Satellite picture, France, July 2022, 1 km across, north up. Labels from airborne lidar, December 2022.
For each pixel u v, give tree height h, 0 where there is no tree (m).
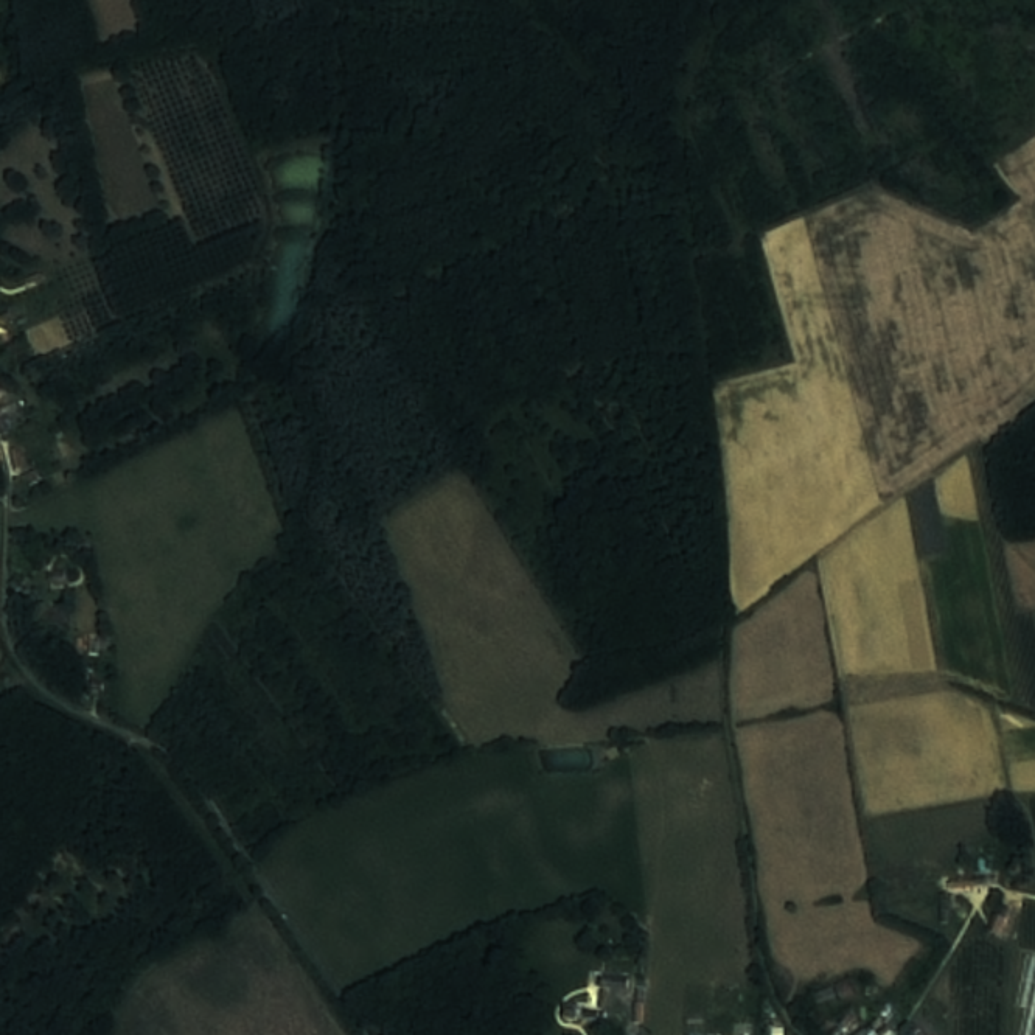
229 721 8
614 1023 6
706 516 17
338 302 22
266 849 17
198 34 17
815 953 0
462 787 0
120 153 0
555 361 21
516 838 0
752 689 0
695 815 0
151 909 25
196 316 13
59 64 18
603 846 0
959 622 0
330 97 27
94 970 20
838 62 0
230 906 10
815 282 0
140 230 18
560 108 15
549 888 0
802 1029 7
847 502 0
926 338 0
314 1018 0
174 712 13
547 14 8
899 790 0
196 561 0
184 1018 0
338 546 20
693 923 0
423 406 22
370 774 13
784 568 0
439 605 0
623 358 14
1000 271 0
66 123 17
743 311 7
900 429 0
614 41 20
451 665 0
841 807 0
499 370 19
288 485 17
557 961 0
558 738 0
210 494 0
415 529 0
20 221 13
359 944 0
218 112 9
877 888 14
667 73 23
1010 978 0
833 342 0
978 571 0
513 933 20
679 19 20
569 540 19
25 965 23
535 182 12
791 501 0
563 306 11
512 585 0
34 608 18
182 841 10
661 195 23
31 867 22
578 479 12
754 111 0
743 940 0
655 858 0
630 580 18
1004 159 0
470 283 21
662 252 23
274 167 6
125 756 21
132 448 13
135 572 0
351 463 23
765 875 0
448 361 19
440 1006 25
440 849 0
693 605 18
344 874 0
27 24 16
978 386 0
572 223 10
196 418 12
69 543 12
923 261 0
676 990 0
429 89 24
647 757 0
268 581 12
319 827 0
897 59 7
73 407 16
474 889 0
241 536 0
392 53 22
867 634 0
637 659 16
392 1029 22
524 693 0
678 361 22
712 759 0
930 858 0
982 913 0
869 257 0
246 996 0
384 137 22
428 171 16
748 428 0
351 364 19
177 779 9
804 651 0
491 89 19
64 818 20
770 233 0
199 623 0
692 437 19
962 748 0
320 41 25
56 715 18
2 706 18
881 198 0
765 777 0
